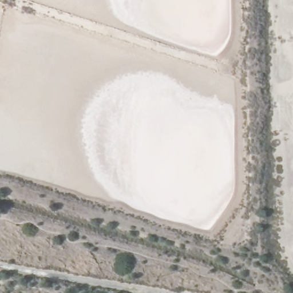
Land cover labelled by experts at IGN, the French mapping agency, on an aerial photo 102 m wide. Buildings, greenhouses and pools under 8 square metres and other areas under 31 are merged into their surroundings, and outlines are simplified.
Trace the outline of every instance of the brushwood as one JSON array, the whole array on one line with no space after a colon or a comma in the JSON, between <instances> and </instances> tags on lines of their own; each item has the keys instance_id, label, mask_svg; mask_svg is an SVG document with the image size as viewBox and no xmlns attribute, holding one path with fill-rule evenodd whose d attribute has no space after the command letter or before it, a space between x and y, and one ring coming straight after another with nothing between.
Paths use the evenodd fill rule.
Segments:
<instances>
[{"instance_id":1,"label":"brushwood","mask_svg":"<svg viewBox=\"0 0 293 293\"><path fill-rule=\"evenodd\" d=\"M240 264L231 268L229 263L223 263L220 259L222 252L216 252L216 248L211 253L216 255L216 259L211 260L185 252L185 245L176 247L173 240L166 237L149 235L141 238L140 235L133 236L130 231L112 228L110 223L102 227L102 224L96 223L94 219L87 221L80 217L50 214L39 206L26 204L24 200L0 200L0 215L8 212L26 212L46 216L54 221L65 222L65 228L69 232L79 233L85 228L118 243L135 243L152 248L157 251L158 256L176 256L175 262L184 259L201 262L204 266L212 268L213 274L221 271L231 276L232 283L240 280L243 284L255 284L250 275L244 276L243 272L240 272L237 275Z\"/></svg>"},{"instance_id":2,"label":"brushwood","mask_svg":"<svg viewBox=\"0 0 293 293\"><path fill-rule=\"evenodd\" d=\"M276 149L271 144L271 21L268 0L248 0L253 6L253 30L259 33L258 48L250 48L248 52L252 60L256 60L255 64L259 66L261 76L256 81L259 82L259 87L250 92L251 100L248 104L251 108L251 124L247 129L252 132L252 140L246 142L247 155L252 155L254 160L254 164L246 166L247 172L254 173L253 176L246 177L247 181L259 184L260 196L253 198L253 201L260 203L262 211L266 213L266 216L260 217L260 222L271 225L270 229L261 231L262 253L255 253L243 246L239 252L233 252L233 255L247 261L255 258L258 261L255 262L255 267L261 270L266 269L264 263L270 262L278 274L282 275L283 285L290 287L291 293L293 293L293 275L287 267L287 261L280 258L280 254L275 254L275 247L279 244L278 220L283 212L276 209L275 189L280 187L283 181L283 166L282 157L274 157Z\"/></svg>"}]
</instances>

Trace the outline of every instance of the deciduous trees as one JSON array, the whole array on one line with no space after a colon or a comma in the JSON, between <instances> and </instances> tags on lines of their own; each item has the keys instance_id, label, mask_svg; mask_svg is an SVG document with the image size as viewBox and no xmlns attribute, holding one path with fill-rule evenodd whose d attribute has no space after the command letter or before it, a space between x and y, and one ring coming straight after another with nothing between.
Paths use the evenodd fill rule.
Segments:
<instances>
[{"instance_id":1,"label":"deciduous trees","mask_svg":"<svg viewBox=\"0 0 293 293\"><path fill-rule=\"evenodd\" d=\"M114 261L113 268L118 275L127 275L134 269L136 259L132 253L121 252Z\"/></svg>"}]
</instances>

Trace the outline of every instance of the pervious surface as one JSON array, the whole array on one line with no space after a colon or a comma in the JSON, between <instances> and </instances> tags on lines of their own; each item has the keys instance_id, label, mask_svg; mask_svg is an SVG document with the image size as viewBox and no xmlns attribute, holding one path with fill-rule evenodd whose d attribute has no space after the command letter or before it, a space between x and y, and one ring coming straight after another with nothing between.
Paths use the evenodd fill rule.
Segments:
<instances>
[{"instance_id":1,"label":"pervious surface","mask_svg":"<svg viewBox=\"0 0 293 293\"><path fill-rule=\"evenodd\" d=\"M250 219L243 219L246 209L240 209L236 219L228 225L221 241L221 244L231 245L250 240L252 224L260 222L260 217L251 212Z\"/></svg>"},{"instance_id":2,"label":"pervious surface","mask_svg":"<svg viewBox=\"0 0 293 293\"><path fill-rule=\"evenodd\" d=\"M276 149L274 157L282 157L283 166L283 181L280 187L275 189L276 209L283 212L278 220L279 244L275 247L275 254L280 254L280 258L287 261L287 267L293 275L293 0L268 0L271 21L271 144Z\"/></svg>"},{"instance_id":3,"label":"pervious surface","mask_svg":"<svg viewBox=\"0 0 293 293\"><path fill-rule=\"evenodd\" d=\"M0 171L22 176L24 179L48 185L62 192L74 193L79 198L96 201L98 204L126 213L141 215L150 221L197 233L209 239L214 238L215 233L219 232L232 214L232 209L240 204L247 181L246 177L253 176L254 173L247 172L246 166L254 164L254 160L252 155L247 155L246 142L243 136L246 130L243 128L241 108L248 104L251 100L250 92L244 92L244 86L240 84L240 70L233 76L223 71L233 55L240 52L241 42L246 34L240 31L243 9L240 5L243 0L0 0Z\"/></svg>"},{"instance_id":4,"label":"pervious surface","mask_svg":"<svg viewBox=\"0 0 293 293\"><path fill-rule=\"evenodd\" d=\"M74 276L68 272L39 270L0 262L0 270L17 270L25 275L58 277L133 293L177 293L165 288Z\"/></svg>"}]
</instances>

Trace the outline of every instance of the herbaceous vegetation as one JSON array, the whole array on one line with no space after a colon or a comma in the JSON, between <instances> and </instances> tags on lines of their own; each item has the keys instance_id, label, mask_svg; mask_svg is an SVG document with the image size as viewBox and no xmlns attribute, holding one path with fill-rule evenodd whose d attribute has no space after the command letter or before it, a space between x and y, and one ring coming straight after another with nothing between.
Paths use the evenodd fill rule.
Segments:
<instances>
[{"instance_id":1,"label":"herbaceous vegetation","mask_svg":"<svg viewBox=\"0 0 293 293\"><path fill-rule=\"evenodd\" d=\"M244 86L244 92L250 92L259 87L259 82L256 81L261 76L259 66L255 64L256 60L252 60L248 52L250 48L258 48L259 33L253 30L253 6L248 0L243 0L240 5L243 9L240 31L246 34L241 42L240 52L233 55L223 71L233 76L240 70L240 84Z\"/></svg>"},{"instance_id":2,"label":"herbaceous vegetation","mask_svg":"<svg viewBox=\"0 0 293 293\"><path fill-rule=\"evenodd\" d=\"M290 287L283 285L282 275L278 274L270 262L264 263L266 269L261 270L255 267L255 262L258 261L255 258L247 261L233 255L233 252L239 252L243 246L255 253L262 253L261 231L270 229L271 225L260 222L252 224L250 240L231 245L221 244L221 241L228 225L236 219L240 209L246 209L243 219L250 219L251 212L260 217L266 216L266 213L262 211L260 203L253 201L253 198L260 196L259 184L247 181L240 204L232 209L232 214L219 232L215 233L214 238L209 239L197 233L150 221L141 215L126 213L98 204L96 201L79 198L74 193L62 192L48 185L24 179L22 176L0 171L0 200L24 200L26 204L39 206L50 214L80 217L87 221L94 219L96 223L102 224L102 227L110 223L112 228L130 231L133 236L140 235L141 238L149 235L166 237L173 240L176 247L185 245L185 252L211 260L216 259L216 255L211 253L216 248L216 252L222 252L220 259L223 263L229 263L231 268L240 264L237 275L240 272L243 272L244 276L250 275L255 284L243 284L240 280L232 283L231 276L221 271L213 274L212 268L204 266L201 262L184 259L175 262L176 256L158 256L157 251L152 248L135 243L118 243L85 228L79 233L69 232L65 228L65 222L54 221L46 216L26 212L8 212L0 215L0 262L39 270L68 272L74 276L165 288L177 293L291 293ZM132 253L136 259L134 269L127 275L118 275L113 268L114 261L121 252Z\"/></svg>"},{"instance_id":3,"label":"herbaceous vegetation","mask_svg":"<svg viewBox=\"0 0 293 293\"><path fill-rule=\"evenodd\" d=\"M246 142L252 140L252 132L247 129L251 124L251 108L248 104L241 108L243 128L246 130L243 136Z\"/></svg>"},{"instance_id":4,"label":"herbaceous vegetation","mask_svg":"<svg viewBox=\"0 0 293 293\"><path fill-rule=\"evenodd\" d=\"M25 275L17 270L0 270L0 293L133 293L58 277Z\"/></svg>"}]
</instances>

